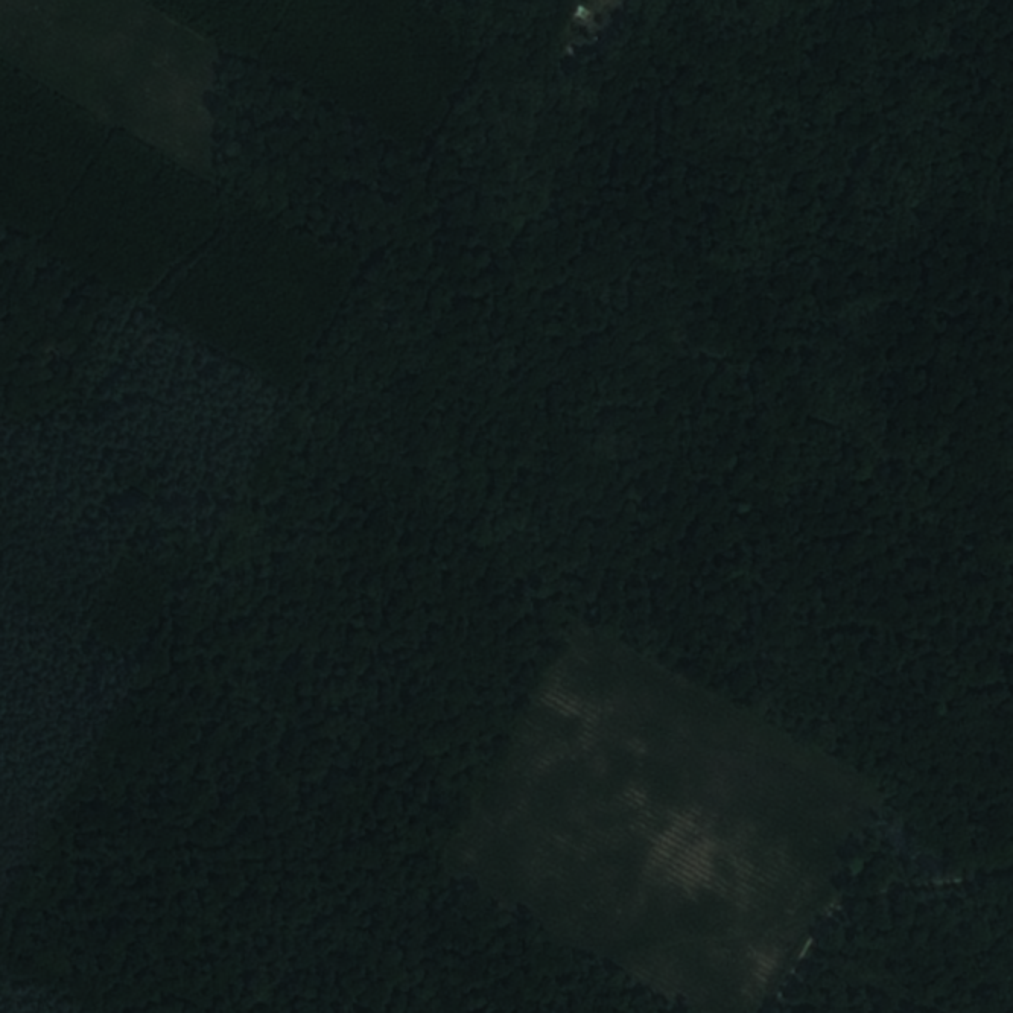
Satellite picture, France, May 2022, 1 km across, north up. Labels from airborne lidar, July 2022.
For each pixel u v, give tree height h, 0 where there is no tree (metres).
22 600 24
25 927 25
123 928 27
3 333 34
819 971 21
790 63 27
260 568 23
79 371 27
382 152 29
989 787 31
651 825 0
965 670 24
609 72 26
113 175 15
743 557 27
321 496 25
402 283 21
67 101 10
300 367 13
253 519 16
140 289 10
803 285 20
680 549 26
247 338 14
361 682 17
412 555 17
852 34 26
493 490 23
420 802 12
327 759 11
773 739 0
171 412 33
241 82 24
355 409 25
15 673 34
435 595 19
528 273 27
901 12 31
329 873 25
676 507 30
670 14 27
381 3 11
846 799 0
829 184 27
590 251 28
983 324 31
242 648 15
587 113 26
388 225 32
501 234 24
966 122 26
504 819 0
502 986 26
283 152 28
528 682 24
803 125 17
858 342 26
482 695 24
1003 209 29
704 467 25
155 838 26
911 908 21
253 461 24
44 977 22
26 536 26
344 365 25
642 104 30
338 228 29
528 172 28
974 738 31
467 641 22
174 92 0
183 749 22
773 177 18
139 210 15
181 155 0
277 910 24
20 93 12
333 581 16
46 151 10
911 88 29
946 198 29
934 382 27
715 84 23
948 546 26
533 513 18
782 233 22
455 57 13
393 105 9
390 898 23
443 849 17
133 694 19
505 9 21
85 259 11
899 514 24
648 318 24
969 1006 28
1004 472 22
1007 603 18
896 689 29
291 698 11
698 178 29
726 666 15
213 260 12
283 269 13
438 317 24
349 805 24
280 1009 10
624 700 0
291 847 20
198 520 7
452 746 21
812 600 27
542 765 0
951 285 30
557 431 23
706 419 26
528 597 24
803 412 23
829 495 21
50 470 33
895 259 26
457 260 28
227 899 24
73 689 28
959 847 26
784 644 27
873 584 31
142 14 0
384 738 25
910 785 28
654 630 27
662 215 34
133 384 32
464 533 20
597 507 26
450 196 28
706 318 26
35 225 11
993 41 28
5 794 32
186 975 19
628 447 26
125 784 13
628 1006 22
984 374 30
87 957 24
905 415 29
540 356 25
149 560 10
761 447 27
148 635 7
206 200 15
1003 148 16
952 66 28
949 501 23
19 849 24
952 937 26
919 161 26
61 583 25
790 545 22
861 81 28
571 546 24
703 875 0
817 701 23
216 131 8
